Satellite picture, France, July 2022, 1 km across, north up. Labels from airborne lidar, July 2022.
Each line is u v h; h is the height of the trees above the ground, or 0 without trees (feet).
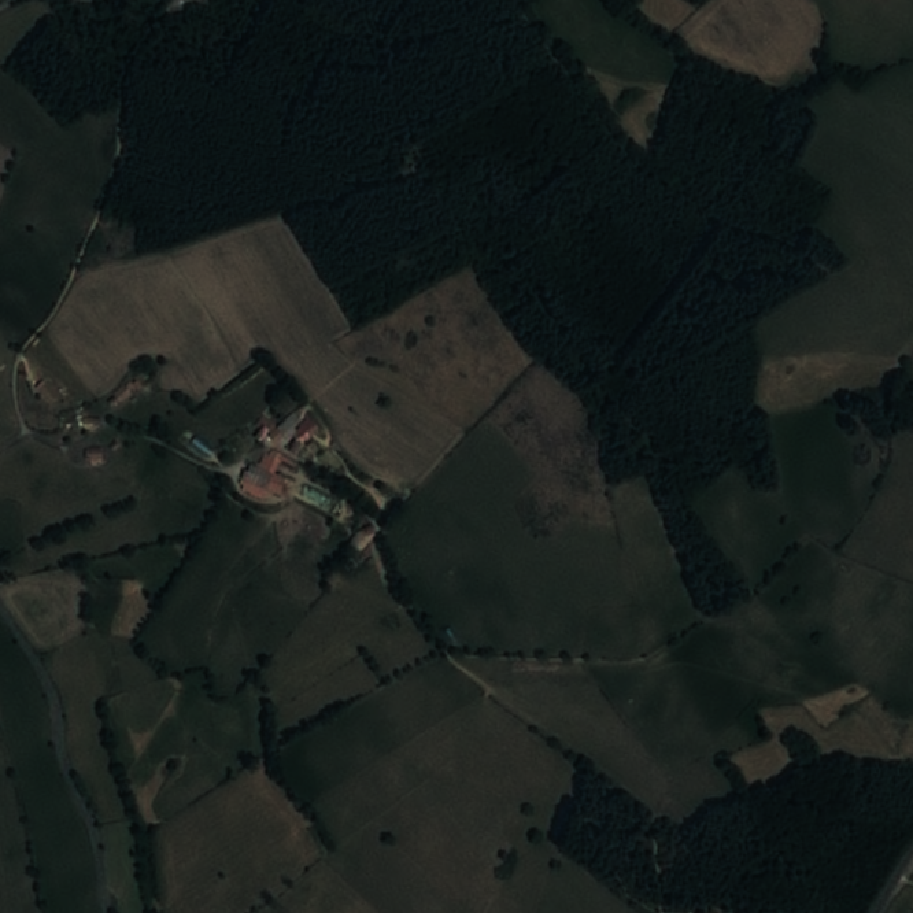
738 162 66
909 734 0
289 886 83
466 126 39
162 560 0
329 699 0
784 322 0
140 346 0
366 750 0
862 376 0
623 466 77
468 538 0
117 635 0
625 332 60
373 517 48
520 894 0
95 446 0
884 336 0
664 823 37
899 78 0
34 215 0
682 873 48
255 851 0
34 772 0
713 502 0
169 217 45
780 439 0
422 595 0
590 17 0
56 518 0
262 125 55
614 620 0
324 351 0
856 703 0
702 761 0
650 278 70
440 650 38
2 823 0
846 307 0
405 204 91
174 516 0
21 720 0
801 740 63
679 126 56
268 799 0
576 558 0
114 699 0
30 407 0
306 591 0
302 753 0
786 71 0
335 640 0
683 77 68
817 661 0
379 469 0
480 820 0
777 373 0
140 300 0
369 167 63
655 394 83
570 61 64
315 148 78
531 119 55
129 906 0
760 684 0
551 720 0
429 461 0
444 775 0
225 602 0
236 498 34
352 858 0
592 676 0
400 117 74
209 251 0
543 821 0
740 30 0
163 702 0
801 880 26
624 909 0
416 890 0
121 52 28
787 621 0
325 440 0
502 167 54
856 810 84
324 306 0
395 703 0
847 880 49
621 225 64
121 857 0
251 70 62
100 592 0
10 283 0
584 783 89
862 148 0
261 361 67
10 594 0
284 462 0
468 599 0
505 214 65
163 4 25
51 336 0
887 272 0
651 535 0
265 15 56
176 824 0
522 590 0
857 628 0
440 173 27
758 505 0
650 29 39
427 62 128
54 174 0
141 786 0
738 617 0
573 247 46
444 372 0
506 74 118
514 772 0
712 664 0
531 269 84
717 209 84
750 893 67
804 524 0
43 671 0
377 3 87
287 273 0
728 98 72
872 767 81
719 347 46
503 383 0
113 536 0
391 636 0
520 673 0
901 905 0
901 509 0
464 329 0
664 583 0
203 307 0
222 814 0
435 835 0
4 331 0
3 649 0
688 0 26
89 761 0
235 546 0
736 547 0
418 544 0
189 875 0
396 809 0
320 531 0
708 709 0
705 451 99
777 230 35
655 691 0
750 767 0
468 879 0
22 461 0
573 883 0
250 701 0
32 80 32
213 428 0
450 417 0
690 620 0
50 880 0
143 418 0
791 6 0
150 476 0
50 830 0
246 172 58
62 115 46
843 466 0
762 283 118
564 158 53
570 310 74
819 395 0
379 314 44
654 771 0
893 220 0
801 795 104
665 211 83
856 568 0
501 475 0
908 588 0
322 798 0
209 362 0
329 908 0
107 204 38
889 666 0
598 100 73
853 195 0
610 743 0
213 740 0
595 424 42
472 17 134
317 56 25
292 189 65
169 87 63
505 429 0
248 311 0
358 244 94
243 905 0
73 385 0
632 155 68
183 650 0
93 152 0
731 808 85
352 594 0
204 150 54
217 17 22
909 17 0
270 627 0
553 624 0
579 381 98
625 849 57
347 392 0
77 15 49
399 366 0
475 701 0
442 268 23
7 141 0
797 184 57
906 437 0
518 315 96
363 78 99
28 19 0
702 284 133
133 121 50
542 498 0
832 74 69
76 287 0
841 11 0
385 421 0
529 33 114
